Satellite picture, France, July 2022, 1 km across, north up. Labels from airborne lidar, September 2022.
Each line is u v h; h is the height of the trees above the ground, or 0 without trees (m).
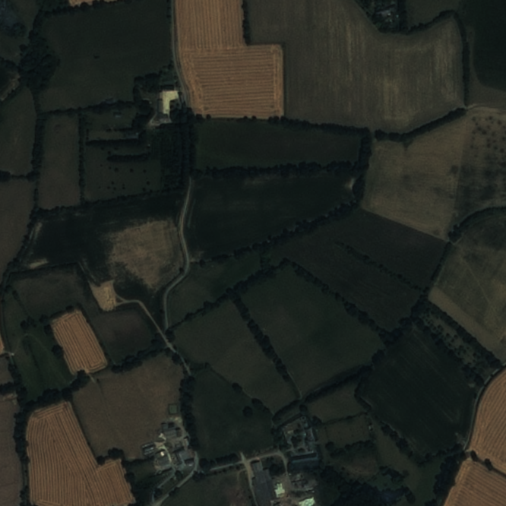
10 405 0
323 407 0
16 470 0
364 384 8
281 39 0
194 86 0
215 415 0
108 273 0
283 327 0
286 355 0
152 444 0
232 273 0
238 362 0
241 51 0
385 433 17
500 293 0
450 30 0
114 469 0
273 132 0
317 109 0
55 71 0
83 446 0
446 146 0
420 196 0
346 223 0
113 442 0
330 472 20
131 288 0
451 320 11
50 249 0
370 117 0
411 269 0
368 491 34
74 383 11
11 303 0
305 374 0
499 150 0
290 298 0
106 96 0
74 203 0
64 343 0
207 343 0
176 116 11
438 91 0
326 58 0
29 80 17
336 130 21
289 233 19
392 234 0
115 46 0
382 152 0
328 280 0
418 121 0
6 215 0
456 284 0
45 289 0
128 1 11
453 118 11
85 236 0
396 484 21
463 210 0
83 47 0
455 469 25
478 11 0
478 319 0
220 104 0
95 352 0
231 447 0
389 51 0
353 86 0
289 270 0
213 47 0
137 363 14
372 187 0
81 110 10
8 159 0
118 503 0
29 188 0
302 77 0
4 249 0
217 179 17
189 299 0
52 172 0
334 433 0
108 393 0
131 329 0
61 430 0
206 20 0
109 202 7
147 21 0
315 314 0
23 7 0
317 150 0
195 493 0
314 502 0
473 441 0
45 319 16
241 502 0
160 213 0
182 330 0
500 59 0
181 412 7
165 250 0
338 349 0
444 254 6
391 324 0
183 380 6
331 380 0
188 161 13
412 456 21
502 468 0
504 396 0
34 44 9
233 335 0
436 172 0
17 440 21
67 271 0
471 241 0
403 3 11
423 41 0
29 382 0
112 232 0
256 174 20
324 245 0
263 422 0
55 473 0
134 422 0
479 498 0
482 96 0
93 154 0
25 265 0
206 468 23
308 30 0
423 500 0
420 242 0
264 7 0
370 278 0
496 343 0
